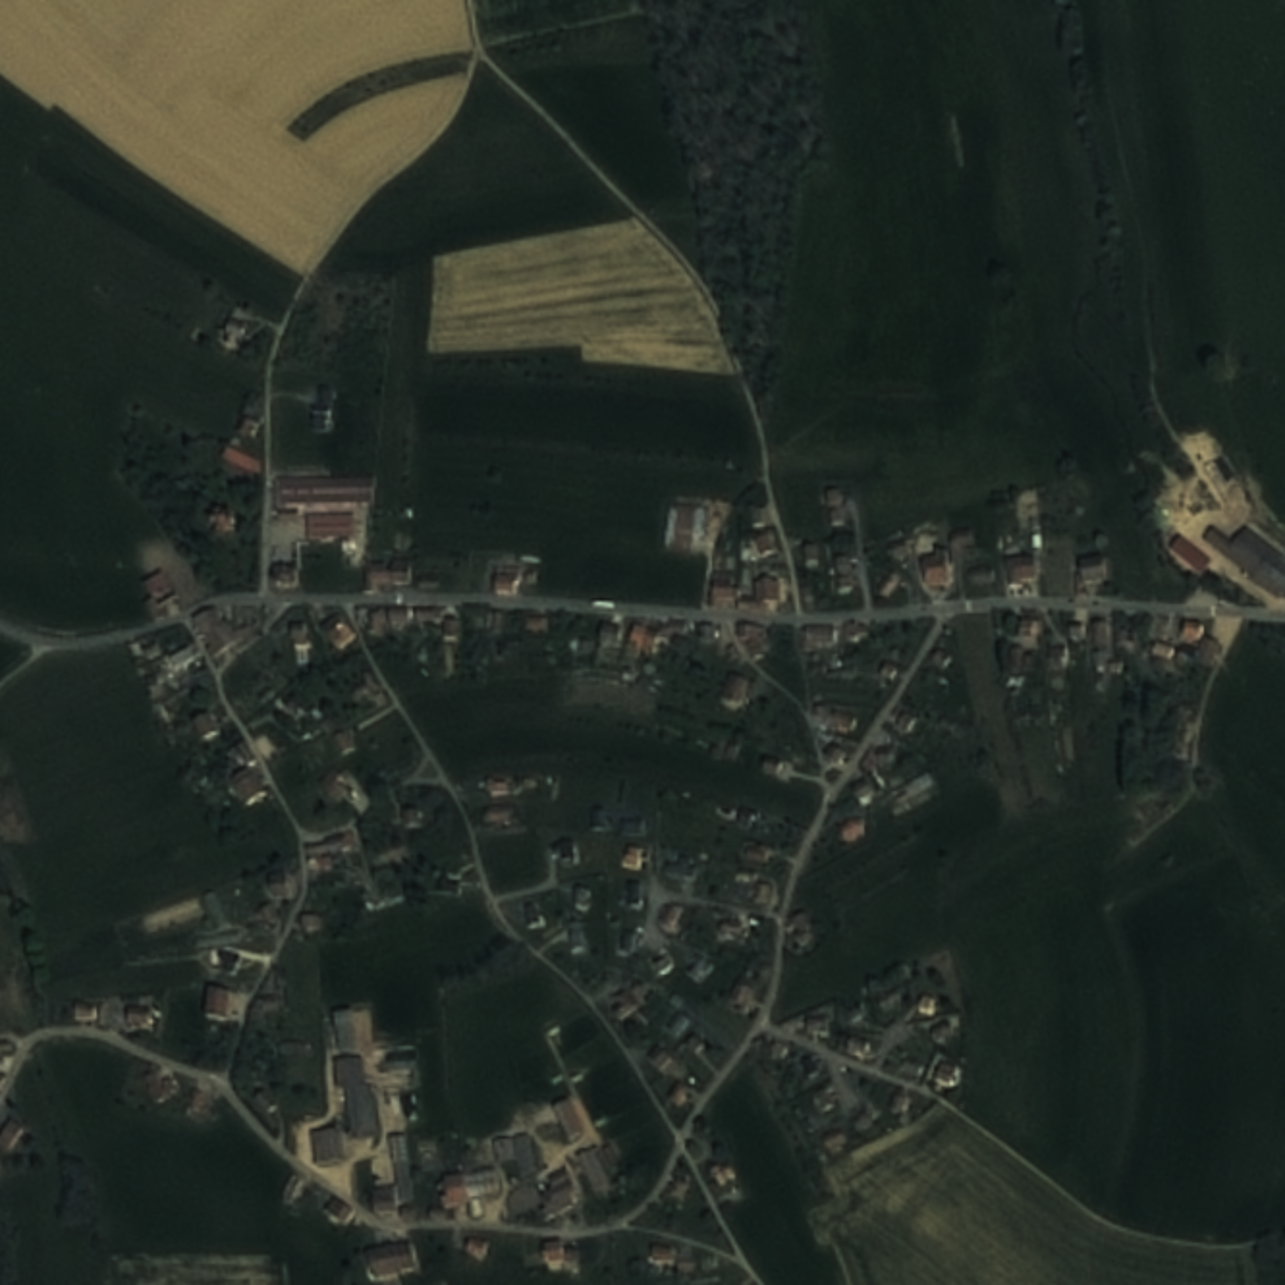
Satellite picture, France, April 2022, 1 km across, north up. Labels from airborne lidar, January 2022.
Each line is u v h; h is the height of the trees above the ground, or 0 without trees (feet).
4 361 0
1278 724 0
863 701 0
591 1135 0
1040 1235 0
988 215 0
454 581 0
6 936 0
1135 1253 0
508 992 0
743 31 72
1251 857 0
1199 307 0
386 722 0
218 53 0
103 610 0
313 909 0
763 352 49
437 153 0
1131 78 0
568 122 0
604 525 0
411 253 0
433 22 0
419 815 0
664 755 0
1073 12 42
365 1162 0
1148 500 41
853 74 0
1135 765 44
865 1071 0
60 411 0
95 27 0
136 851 0
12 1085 0
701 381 0
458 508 0
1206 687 0
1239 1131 0
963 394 0
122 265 0
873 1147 0
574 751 0
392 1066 0
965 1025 0
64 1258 0
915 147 0
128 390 0
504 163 0
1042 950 0
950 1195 0
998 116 0
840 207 0
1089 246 0
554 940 0
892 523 0
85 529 0
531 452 0
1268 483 0
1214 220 0
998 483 0
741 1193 0
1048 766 0
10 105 0
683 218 0
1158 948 0
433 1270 28
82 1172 57
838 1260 0
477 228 0
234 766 23
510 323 0
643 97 0
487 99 0
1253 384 0
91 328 0
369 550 19
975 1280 0
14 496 0
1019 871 0
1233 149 0
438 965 0
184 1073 0
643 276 0
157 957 0
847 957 0
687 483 0
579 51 0
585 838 0
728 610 0
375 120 0
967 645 0
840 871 0
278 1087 32
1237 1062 0
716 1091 0
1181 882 0
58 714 0
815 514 0
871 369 0
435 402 0
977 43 0
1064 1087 0
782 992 0
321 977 0
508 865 0
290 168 0
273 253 0
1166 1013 0
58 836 0
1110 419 0
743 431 0
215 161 0
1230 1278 0
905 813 0
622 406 0
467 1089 0
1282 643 47
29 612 0
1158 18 0
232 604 0
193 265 0
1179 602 0
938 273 0
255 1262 0
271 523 0
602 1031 0
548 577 0
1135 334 0
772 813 0
